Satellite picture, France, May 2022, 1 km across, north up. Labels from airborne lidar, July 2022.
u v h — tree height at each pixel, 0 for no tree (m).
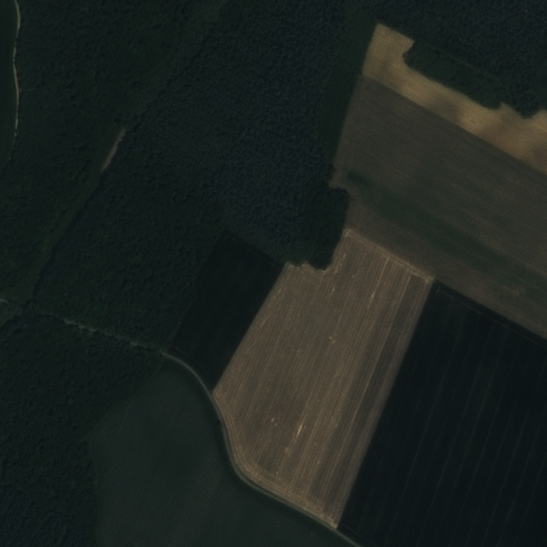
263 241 25
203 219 24
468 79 9
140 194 19
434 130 0
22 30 10
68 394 18
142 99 19
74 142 23
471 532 0
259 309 0
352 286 0
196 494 0
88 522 19
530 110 24
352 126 0
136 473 0
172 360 0
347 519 0
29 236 16
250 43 13
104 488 0
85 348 21
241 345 0
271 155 21
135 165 20
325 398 0
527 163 0
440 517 0
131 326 19
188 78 11
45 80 17
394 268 0
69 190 20
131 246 17
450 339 0
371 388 0
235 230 24
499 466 0
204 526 0
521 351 0
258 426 0
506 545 0
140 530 0
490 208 0
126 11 11
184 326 0
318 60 27
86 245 17
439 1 25
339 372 0
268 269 0
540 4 23
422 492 0
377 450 0
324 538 0
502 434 0
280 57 27
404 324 0
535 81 20
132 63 17
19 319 18
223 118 19
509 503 0
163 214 20
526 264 0
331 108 7
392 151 0
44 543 18
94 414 19
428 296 0
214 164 18
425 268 0
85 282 15
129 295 16
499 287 0
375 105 0
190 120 16
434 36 27
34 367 21
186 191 17
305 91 26
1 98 0
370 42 12
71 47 20
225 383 0
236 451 0
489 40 22
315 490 0
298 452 0
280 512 0
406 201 0
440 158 0
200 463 0
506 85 20
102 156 0
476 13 19
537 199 0
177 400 0
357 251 0
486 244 0
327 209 15
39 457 21
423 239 0
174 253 22
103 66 16
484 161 0
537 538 0
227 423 0
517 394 0
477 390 0
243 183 26
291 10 16
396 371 0
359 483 0
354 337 0
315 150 23
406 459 0
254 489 0
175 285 21
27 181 17
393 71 0
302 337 0
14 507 18
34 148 19
